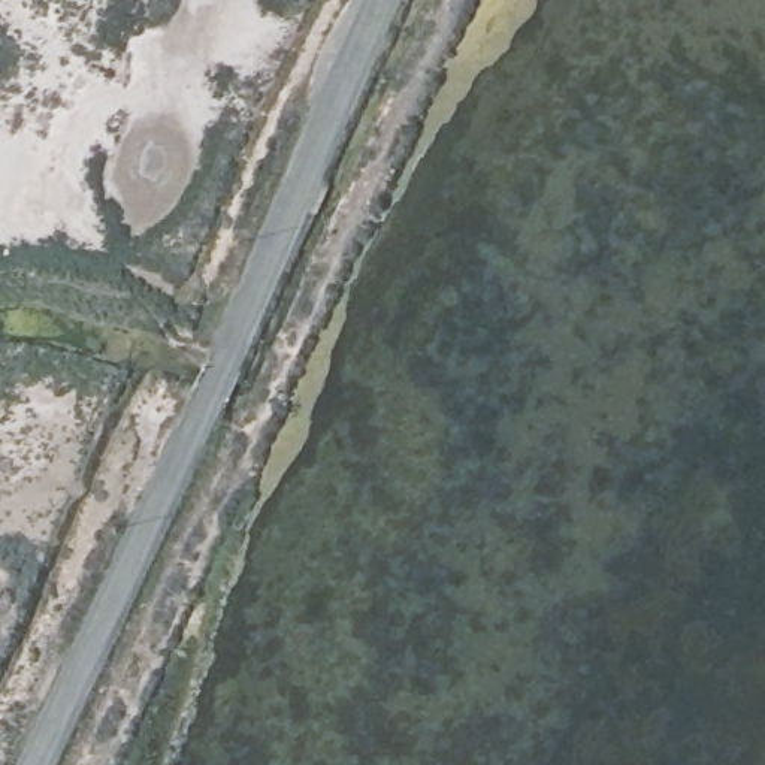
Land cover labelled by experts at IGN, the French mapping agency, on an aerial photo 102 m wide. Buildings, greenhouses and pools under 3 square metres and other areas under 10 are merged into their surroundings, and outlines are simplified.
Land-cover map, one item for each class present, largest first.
<instances>
[{"label":"water","instance_id":"1","mask_svg":"<svg viewBox=\"0 0 765 765\"><path fill-rule=\"evenodd\" d=\"M173 765H765V0H535L532 15L517 27L505 54H499L496 63L484 66L475 75L469 93L460 99L451 120L436 131L403 200L397 203V212L388 218V236L368 254L362 278L356 281L347 305V320L332 347L329 374L311 412L308 439L281 475L278 487L272 490L269 502L263 505L254 523L239 583L230 589L227 607L218 622L215 654L197 693L194 720ZM117 200L123 206V221L131 227V233H146L179 203L185 185L191 182L200 164V143L188 140L182 123L173 114L140 120V126L123 134V140L117 143ZM0 344L51 347L63 353L66 344H72L75 356H90L87 329L81 323L69 326L63 320H57L48 311H3L0 317ZM194 663L185 657H179L176 663L161 660L128 732V744L137 750L134 765H161V753L170 741V726L182 708L185 684Z\"/></svg>","mask_w":765,"mask_h":765},{"label":"pervious surface","instance_id":"2","mask_svg":"<svg viewBox=\"0 0 765 765\"><path fill-rule=\"evenodd\" d=\"M36 0H0V24H6L9 36L21 45L18 75L21 87L57 93L60 108L54 111L48 137L27 134L24 128L12 131L0 123V245L39 242L54 233H66L72 242L84 248H102V218L87 185V158L93 146H102L108 155L105 191L117 200V143L105 128L108 117H114L117 111H128L140 120L173 114L182 123L188 140L200 143L206 126L218 120L221 108L209 84L215 78V69L233 66L239 78H251L260 69H275L278 63L269 60V54L293 33V27L284 18L263 15L257 0H182L167 24L131 36L128 48V87L117 84L114 78L108 81L90 72L72 48H66V36L57 24L60 18L33 12ZM359 0H326L263 126L254 146L242 158V176L233 188L227 212L221 215V230L212 257L203 269V281H212L218 275V266L224 263L233 245V230L245 194L254 182L257 164L266 158L269 140L278 131L287 102L299 90V84H308V96H317L320 81L329 75L344 30L353 18L350 12ZM463 0H442L439 9L427 12V21H433L436 27L424 45V57L415 63L406 87L391 90L380 105L383 134L368 137V146L377 149V158L368 161L362 167V176L341 191L335 212L323 227V239L314 245L308 257L314 266H326L323 278L317 281L311 311L299 320L293 344L284 332H278L275 350L278 368L269 380L266 403H260L257 415L245 424V436L257 439L266 421L272 418L278 400H284L287 377L296 365L305 338L326 311L329 287L338 278L353 233L365 224L371 200L385 188L391 176V140L397 128L415 114L424 96V81L433 75L439 51L451 39ZM535 0H481L457 48V57H451L448 63L445 87L427 114L418 146L400 173L397 191L391 194V200L397 203L403 200L436 131L451 120L460 99L469 93L475 75L484 66L496 63L499 54H505L517 27L532 15ZM347 320V305L341 302L335 308V317L308 362V374L296 388V412L287 418L272 445V457L260 481V499L251 511L242 514L254 523L263 505L269 502L272 490L278 487L281 475L308 439L311 412L329 374L332 347ZM15 406L0 403V535L48 541L54 523L60 520V508H66V502L75 499L84 487V481L75 475L81 463L84 433L75 424V394L69 391L57 397L51 391V377H45L36 385H15ZM128 406L137 415L140 460L131 457V451L117 445L114 439L102 460L99 478L108 496L102 502L90 499L81 508L75 532L69 538L72 553L60 562L57 574V595H51L39 607V616L21 645V654L12 663V672L0 690V765H3V720L9 717V705L21 702L27 711L42 708V699L48 696L66 654H57L60 622L69 616V604L78 598L84 562L96 547V532L111 520L114 511L126 514L134 508L140 490L152 478L155 463H161L173 433L161 427V421L173 412L167 383H155L152 394L140 388Z\"/></svg>","mask_w":765,"mask_h":765},{"label":"brushwood","instance_id":"3","mask_svg":"<svg viewBox=\"0 0 765 765\"><path fill-rule=\"evenodd\" d=\"M182 0H111L99 15V30L93 39L96 45H102L105 51L111 48L114 54H123L128 48L131 36L167 24ZM442 0H400V9L388 27V42L380 51L368 87L353 117L347 120L344 137L326 167L323 203L311 215L299 239V248L278 281L272 305L266 308L260 332L242 362L239 380L194 460L191 478L176 508L170 511V520L152 550V559L123 619L117 622L108 654L54 765H72L90 729L93 711L102 702L105 687L111 684L117 660L134 642L140 610L149 601L170 559V547L179 538L185 517L191 514L200 496V487H206L209 475L218 466L224 433L236 418V397L254 388L266 356L275 350L278 332H284L293 344L299 320L311 311L317 281L323 278L326 266H314L308 257L314 245L323 239V227L335 212L341 191L362 176V167L368 161L377 158V149L368 146V137L383 134L380 105L391 90L406 87L415 63L424 57V45L436 27L433 21H427V12L439 9ZM481 0H463L451 39L439 51L433 75L424 81V96L415 114L397 128L391 140V176L385 188L371 200L365 224L353 233L338 278L329 287L326 311L305 338L296 365L287 377L284 400H278L272 418L266 421L257 439L254 475L233 493L230 505L224 508L218 538L209 550L194 595L188 598V604L203 607L206 613L200 634L182 637L179 642L170 639L161 660L176 663L179 657H185L194 663L197 651L215 654L218 622L227 607L230 589L239 583L254 523L242 514L251 511L260 499V481L272 457V445L287 418L296 412V388L308 374V362L335 317V308L341 302L347 305L356 281L362 278L368 254L388 236V218L397 212V203L391 200V194L397 191L400 173L418 146L427 114L445 87L448 63L451 57H457V48ZM21 45L9 36L6 24H0V81L18 75ZM263 126L260 120L242 123L236 108H221L218 120L206 126L200 143V164L191 182L185 185L179 203L146 233H131V227L123 221V206L117 200L105 191L108 155L102 146H93L87 158V185L102 218V248H84L72 242L66 233H54L39 242L0 245V317L3 311H48L57 320H63L72 311H87L99 320L128 323L131 329L149 335L170 338L176 329L203 332L206 305H179L143 278H134L131 266H146L164 275L170 284H185L191 275L203 269L212 257L221 230V215L227 212L233 188L242 176V158L254 146ZM179 227L188 230L194 254H170L164 248V236L176 233ZM90 356H75L72 344H66L63 353L51 347L0 344V403L15 406V385H36L45 377H51V391L57 397L69 391L75 394L111 397L102 436L90 457L81 463L75 475L84 481V487L93 493V484L99 478L102 460L114 439V430L128 406L140 388V368L131 359H108V341L102 338V332L87 329ZM48 556V541L0 535V690L12 672V663L21 654V645L39 616V607L51 595H57V574L42 565Z\"/></svg>","mask_w":765,"mask_h":765},{"label":"herbaceous vegetation","instance_id":"4","mask_svg":"<svg viewBox=\"0 0 765 765\"><path fill-rule=\"evenodd\" d=\"M111 0H36L33 12L60 18L57 24L66 36V48H72L90 72L108 81L114 78L117 84L128 87V48L123 54H114L111 48L105 51L102 45H96L93 39L99 30V15ZM326 0H257L263 15L284 18L293 27V33L269 54V60L278 63L275 69H260L251 78H239L233 66L215 69V78L209 84L221 108H236L242 123L260 120L263 126ZM60 108L57 93L21 87L18 75L0 81V123L12 131L24 128L27 134L48 137L54 111ZM308 114V84H299V90L287 102L278 131L269 140L266 158L257 164L254 182L245 194L233 230V245L224 263L218 266V275L212 281H203V269L191 275L185 284H170L164 275L146 266H131L134 278H143L179 305H206L203 332L176 329L170 338L149 335L131 329L128 323L99 320L87 311H72L63 320L69 326L81 323L87 329L102 332V338L108 341V359H131L140 368V388L152 394L155 383H167L173 412L161 421V427L173 433L179 427V418L185 415V385H191L197 380V371L209 365L212 329L221 323L227 302L236 296V284L245 272L251 248L272 206V197L287 170L293 143ZM140 126V120L128 111H117L114 117H108L105 128L117 143L123 140V134ZM164 248L170 254H194L188 230L179 227L176 233L164 236ZM278 368L275 350L266 356L254 388L236 397V418L224 433L218 466L209 475L206 487H200V496L191 514L185 517L179 538L170 547V559L149 601L140 610L134 642L117 660L111 684L105 687L102 702L93 711L90 729L72 765H134L137 750L128 744V732L161 660L170 639L179 642L182 637L200 634L206 613L203 607L188 604V598L194 595L209 550L218 538L224 508L230 505L233 493L254 475L257 439L245 436V424L257 415L260 403H266L269 380ZM111 397L75 394V424L84 433L81 463L90 457L102 436ZM117 445L131 451V457L140 460L137 415L128 406L114 430V439ZM108 496L99 478L93 484V493L84 487L75 499L66 502V508H60V520L54 523L48 541V556L42 565L57 574L60 562L72 553L69 538L75 532L81 508L90 499L102 502ZM128 529L126 514L114 511L111 520L96 532V547L84 562L78 598L69 604V616L60 622L57 654H66L72 651L75 637L117 559L123 535ZM215 654L197 651L194 663L185 684L182 708L170 726V741L161 753V765H173L194 720L197 693ZM42 708L27 711L21 702L9 705V717L3 720V765H21L18 759Z\"/></svg>","mask_w":765,"mask_h":765},{"label":"impervious surface","instance_id":"5","mask_svg":"<svg viewBox=\"0 0 765 765\"><path fill-rule=\"evenodd\" d=\"M400 9V0H359L350 12L353 18L344 30L329 75L320 81L317 96H308V114L293 143L287 170L272 197V206L251 248L245 272L236 284V296L227 302L221 323L212 329L209 365L197 371V380L191 385H185V415L179 418V427L173 433L161 463H155L152 478L140 490L134 508L126 514L128 529L123 535L117 559L75 637L72 651L66 654L48 696L42 699V708L18 759L21 765H54L108 654L117 622L123 619L152 559V550L170 520V511L176 508L191 478L194 460L239 380L242 362L260 332L266 308L272 305L278 281L299 248V239L311 215L323 203L326 167L344 137L347 120L353 117L368 87L380 51L388 42V27Z\"/></svg>","mask_w":765,"mask_h":765}]
</instances>
